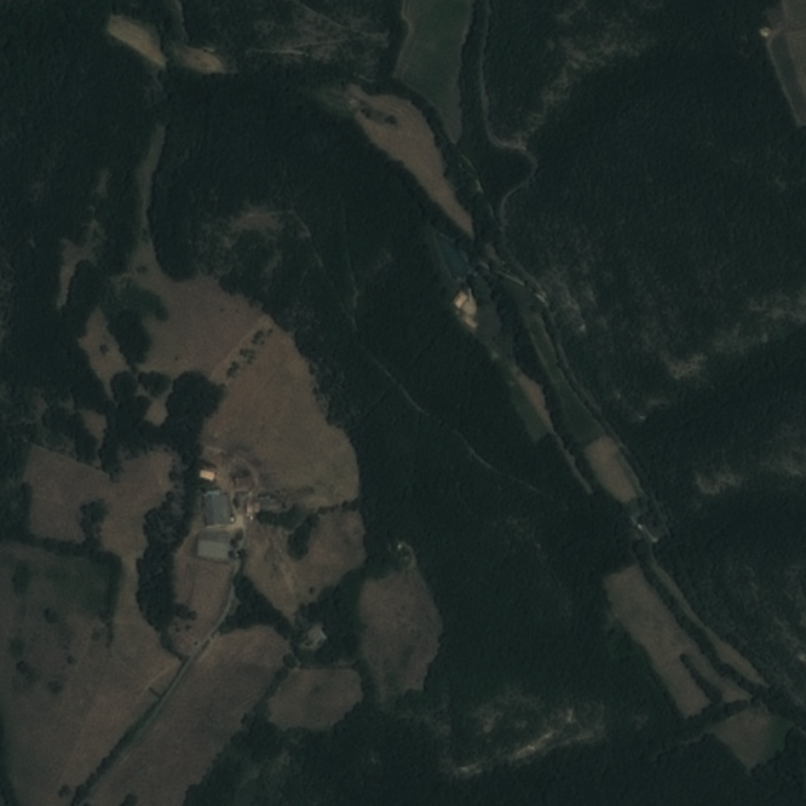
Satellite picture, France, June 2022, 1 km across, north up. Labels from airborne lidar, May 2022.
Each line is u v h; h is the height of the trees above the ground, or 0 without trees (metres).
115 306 6
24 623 0
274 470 0
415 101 10
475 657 12
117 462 14
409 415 12
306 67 7
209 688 0
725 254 6
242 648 0
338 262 9
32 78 11
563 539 13
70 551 14
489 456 11
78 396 13
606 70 8
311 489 0
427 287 13
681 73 9
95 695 0
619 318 6
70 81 10
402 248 11
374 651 0
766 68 9
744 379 11
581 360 7
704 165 7
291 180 6
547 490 12
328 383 8
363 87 7
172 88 16
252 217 0
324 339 8
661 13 9
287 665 12
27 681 0
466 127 9
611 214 6
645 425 11
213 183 6
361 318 8
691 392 10
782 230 7
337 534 0
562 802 13
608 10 6
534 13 7
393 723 14
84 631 0
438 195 0
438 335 13
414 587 0
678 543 8
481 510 8
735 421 7
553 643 12
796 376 9
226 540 0
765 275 7
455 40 0
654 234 7
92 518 11
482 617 10
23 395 17
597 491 10
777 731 0
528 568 9
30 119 7
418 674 0
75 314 13
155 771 0
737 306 6
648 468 10
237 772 8
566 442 13
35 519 0
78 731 0
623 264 7
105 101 12
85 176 11
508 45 8
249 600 11
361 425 12
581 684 10
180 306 0
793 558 7
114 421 13
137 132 15
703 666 0
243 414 0
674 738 16
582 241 6
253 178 8
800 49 0
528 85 6
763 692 20
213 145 12
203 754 0
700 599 12
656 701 13
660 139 7
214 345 0
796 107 0
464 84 8
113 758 9
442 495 9
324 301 8
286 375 0
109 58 12
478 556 12
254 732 13
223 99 20
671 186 8
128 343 14
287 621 10
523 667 13
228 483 0
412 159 0
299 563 0
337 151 11
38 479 0
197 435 9
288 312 11
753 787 18
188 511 15
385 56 9
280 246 6
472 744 7
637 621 0
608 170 6
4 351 7
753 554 7
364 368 10
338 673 0
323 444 0
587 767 22
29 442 7
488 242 12
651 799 12
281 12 7
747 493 8
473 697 8
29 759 0
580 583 15
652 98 6
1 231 6
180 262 11
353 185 12
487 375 13
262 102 13
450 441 10
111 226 11
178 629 8
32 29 25
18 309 7
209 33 12
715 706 9
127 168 16
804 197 10
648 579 13
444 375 13
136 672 0
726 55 8
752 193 9
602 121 8
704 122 6
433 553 12
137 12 19
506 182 12
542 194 6
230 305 0
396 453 9
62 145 8
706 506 9
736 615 9
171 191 10
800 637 6
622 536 15
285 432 0
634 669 12
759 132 8
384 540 9
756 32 8
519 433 11
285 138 7
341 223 7
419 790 18
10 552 0
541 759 7
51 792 0
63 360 14
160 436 12
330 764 16
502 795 18
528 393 0
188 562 0
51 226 11
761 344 6
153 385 8
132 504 0
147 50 0
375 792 17
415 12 0
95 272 12
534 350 16
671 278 7
